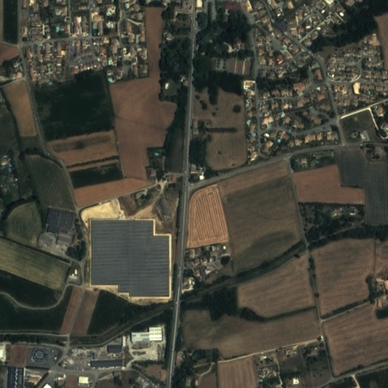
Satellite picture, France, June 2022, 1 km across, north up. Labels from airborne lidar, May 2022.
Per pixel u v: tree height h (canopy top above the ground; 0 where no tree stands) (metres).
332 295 0
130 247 6
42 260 0
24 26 0
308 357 6
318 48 14
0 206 0
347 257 0
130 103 0
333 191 0
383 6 19
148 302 0
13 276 11
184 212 0
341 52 0
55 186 0
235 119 0
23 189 0
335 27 13
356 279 0
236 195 0
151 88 0
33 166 0
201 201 0
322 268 0
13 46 0
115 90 0
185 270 6
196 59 11
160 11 0
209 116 0
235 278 0
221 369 0
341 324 0
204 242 0
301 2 0
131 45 0
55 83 9
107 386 0
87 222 0
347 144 0
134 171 0
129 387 0
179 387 24
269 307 0
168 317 13
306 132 0
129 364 0
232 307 11
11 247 0
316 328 0
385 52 0
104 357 0
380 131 10
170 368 0
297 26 0
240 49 9
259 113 0
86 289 0
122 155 0
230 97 0
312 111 0
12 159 10
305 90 0
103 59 0
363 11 18
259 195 0
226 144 0
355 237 13
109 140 0
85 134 13
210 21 9
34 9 0
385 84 0
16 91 0
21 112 0
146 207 0
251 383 0
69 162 0
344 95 0
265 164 0
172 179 0
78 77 16
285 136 0
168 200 0
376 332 0
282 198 0
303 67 7
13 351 0
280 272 0
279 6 0
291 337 0
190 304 7
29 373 0
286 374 7
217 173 13
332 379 0
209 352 13
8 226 0
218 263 0
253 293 0
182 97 14
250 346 0
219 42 17
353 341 0
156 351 0
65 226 0
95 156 0
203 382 0
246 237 0
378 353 0
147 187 0
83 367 0
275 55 11
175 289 8
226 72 12
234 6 0
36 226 0
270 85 12
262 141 7
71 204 0
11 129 0
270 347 0
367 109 0
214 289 0
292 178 0
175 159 0
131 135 0
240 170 0
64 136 8
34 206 0
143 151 0
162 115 0
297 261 0
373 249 0
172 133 9
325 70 0
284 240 0
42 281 0
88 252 0
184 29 8
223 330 0
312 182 0
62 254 0
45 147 0
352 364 0
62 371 0
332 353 0
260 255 0
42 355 0
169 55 18
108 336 0
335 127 9
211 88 12
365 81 0
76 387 0
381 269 0
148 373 0
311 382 0
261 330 0
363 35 18
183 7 0
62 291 0
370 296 8
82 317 0
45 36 12
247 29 16
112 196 0
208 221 0
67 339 0
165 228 0
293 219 0
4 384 0
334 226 21
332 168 0
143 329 15
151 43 0
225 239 0
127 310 7
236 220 0
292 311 0
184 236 0
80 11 0
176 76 14
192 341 0
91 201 0
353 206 11
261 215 0
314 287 0
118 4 11
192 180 6
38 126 0
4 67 10
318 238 14
